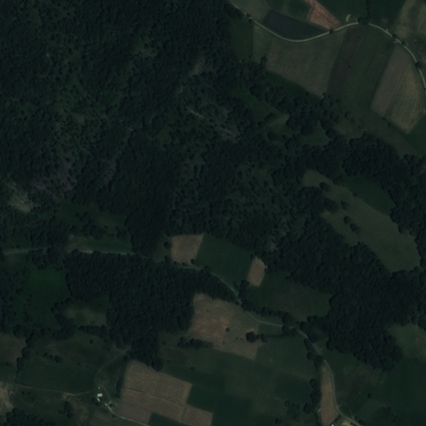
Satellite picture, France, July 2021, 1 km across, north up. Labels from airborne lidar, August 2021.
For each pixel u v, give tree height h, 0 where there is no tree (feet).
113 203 68
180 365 0
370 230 0
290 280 50
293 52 0
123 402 0
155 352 42
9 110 33
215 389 0
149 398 0
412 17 0
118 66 68
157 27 81
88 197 89
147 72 77
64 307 60
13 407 0
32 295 28
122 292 60
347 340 77
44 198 53
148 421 0
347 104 0
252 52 0
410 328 0
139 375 0
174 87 91
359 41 0
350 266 85
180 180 48
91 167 79
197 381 0
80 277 64
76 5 59
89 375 0
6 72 98
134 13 89
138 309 78
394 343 85
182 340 38
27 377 0
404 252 0
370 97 0
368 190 0
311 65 0
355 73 0
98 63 74
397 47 0
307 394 0
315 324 66
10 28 38
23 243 0
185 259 0
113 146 82
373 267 58
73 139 49
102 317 0
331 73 0
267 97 61
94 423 0
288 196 82
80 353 0
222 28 87
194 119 75
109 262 46
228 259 0
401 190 80
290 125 57
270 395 0
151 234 78
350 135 0
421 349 0
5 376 0
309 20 0
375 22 0
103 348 0
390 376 0
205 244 0
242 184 86
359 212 0
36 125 57
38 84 71
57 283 0
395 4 0
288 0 0
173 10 75
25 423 86
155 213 87
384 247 0
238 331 0
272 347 0
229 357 0
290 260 93
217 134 86
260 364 0
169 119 92
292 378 0
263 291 0
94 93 36
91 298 53
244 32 0
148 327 77
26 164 84
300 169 94
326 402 0
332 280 77
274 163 27
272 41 0
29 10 80
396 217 86
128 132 79
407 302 71
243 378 0
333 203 71
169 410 0
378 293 79
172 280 83
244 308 44
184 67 100
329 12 0
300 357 0
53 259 56
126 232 52
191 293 72
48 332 67
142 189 54
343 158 32
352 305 80
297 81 0
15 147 92
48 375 0
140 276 79
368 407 0
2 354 0
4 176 32
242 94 0
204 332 0
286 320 82
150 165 36
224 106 79
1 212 22
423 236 74
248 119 75
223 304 0
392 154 73
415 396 0
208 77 88
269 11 0
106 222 0
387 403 0
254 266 0
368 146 30
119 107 37
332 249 85
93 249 0
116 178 80
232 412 0
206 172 83
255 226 45
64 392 0
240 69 70
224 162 88
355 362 0
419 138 0
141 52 0
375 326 92
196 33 105
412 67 0
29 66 78
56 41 74
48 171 82
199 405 0
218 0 61
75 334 36
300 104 81
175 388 0
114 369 0
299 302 0
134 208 43
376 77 0
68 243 44
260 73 62
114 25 86
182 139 73
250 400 0
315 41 0
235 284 34
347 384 0
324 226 103
